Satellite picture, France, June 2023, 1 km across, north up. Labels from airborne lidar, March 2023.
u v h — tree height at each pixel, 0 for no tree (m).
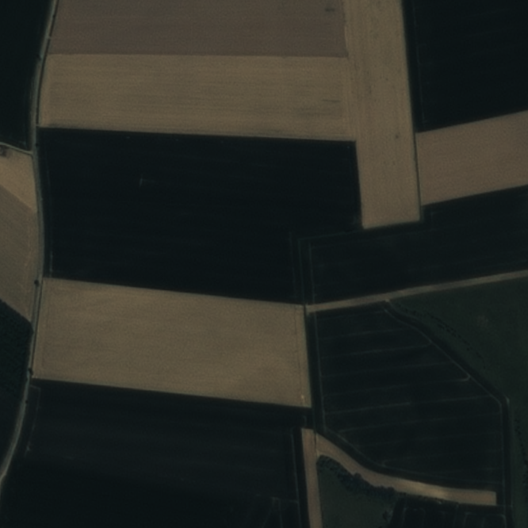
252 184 0
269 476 0
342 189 0
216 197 0
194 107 0
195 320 0
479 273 0
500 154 0
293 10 0
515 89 0
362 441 0
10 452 0
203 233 0
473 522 0
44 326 0
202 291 0
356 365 0
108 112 0
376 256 0
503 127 0
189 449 0
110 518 0
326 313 0
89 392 0
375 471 0
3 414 0
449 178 0
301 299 0
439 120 0
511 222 0
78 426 0
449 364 0
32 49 0
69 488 0
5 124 0
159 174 0
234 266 0
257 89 0
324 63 0
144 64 0
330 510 0
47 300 0
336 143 0
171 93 0
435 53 0
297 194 0
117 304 0
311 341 0
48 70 0
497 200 0
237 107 0
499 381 0
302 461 0
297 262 0
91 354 0
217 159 0
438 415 0
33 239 0
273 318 0
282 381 0
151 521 0
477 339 0
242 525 0
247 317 0
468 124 0
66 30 0
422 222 0
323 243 0
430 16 0
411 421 0
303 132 0
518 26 0
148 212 0
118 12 0
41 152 0
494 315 0
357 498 0
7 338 12
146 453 0
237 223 0
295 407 0
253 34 0
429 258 0
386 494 27
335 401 0
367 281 0
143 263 0
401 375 0
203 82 0
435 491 0
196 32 0
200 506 0
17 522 0
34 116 0
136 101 0
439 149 0
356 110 0
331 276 0
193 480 0
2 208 0
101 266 0
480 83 0
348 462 0
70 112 0
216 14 0
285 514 0
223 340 0
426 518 0
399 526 0
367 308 0
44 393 0
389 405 0
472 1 0
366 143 0
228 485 0
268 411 0
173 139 0
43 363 0
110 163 0
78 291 0
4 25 0
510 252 0
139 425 0
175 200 0
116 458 0
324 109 0
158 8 0
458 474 0
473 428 0
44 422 0
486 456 0
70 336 0
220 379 0
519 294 0
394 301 0
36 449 0
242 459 0
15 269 0
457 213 0
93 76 0
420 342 0
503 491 0
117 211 0
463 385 0
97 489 0
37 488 0
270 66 0
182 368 0
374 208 0
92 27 0
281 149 0
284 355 0
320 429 0
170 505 0
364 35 0
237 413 0
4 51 0
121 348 0
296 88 0
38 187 0
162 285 0
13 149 0
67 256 0
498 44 0
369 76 0
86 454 0
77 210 0
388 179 0
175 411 0
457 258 0
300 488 0
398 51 0
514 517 0
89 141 0
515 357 0
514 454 0
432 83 0
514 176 0
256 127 0
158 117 0
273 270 0
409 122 0
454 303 0
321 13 0
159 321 0
